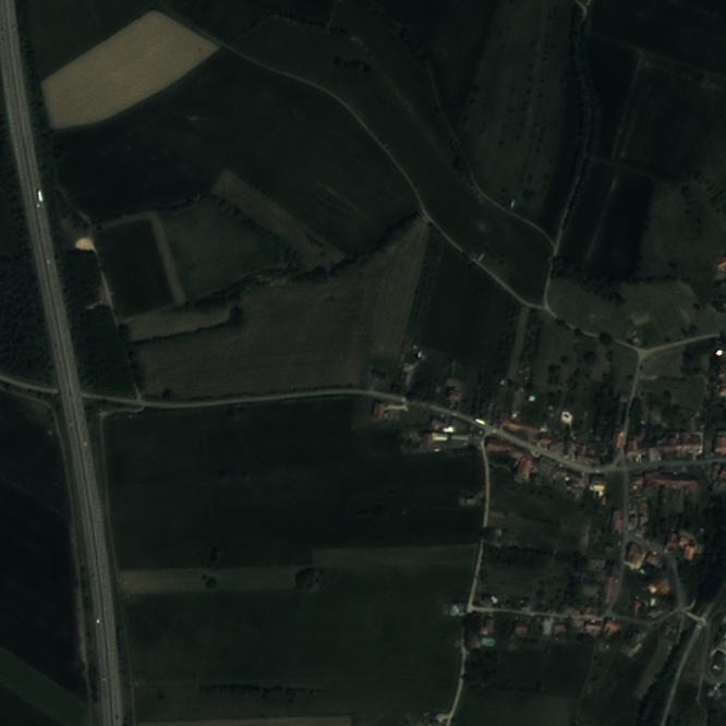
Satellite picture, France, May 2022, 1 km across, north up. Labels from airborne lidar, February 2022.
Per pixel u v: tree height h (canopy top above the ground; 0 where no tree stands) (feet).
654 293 0
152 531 0
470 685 22
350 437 0
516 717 0
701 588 0
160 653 0
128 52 0
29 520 0
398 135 0
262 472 0
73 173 0
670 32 0
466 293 0
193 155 0
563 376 0
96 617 0
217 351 0
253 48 0
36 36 0
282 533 0
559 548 0
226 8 0
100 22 0
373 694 0
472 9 0
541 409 0
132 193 0
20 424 0
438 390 0
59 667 0
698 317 0
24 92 0
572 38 38
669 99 0
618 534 0
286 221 0
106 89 0
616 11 0
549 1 0
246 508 0
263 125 0
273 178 0
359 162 0
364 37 0
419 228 0
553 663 0
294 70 0
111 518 0
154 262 0
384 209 0
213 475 0
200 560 0
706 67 0
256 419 0
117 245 0
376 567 0
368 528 0
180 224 0
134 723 0
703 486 0
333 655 0
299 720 0
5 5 0
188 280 0
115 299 0
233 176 0
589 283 21
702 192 0
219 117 0
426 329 0
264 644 0
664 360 0
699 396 0
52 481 0
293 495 0
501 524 0
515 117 0
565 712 0
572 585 35
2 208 0
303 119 0
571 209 28
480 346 0
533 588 0
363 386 0
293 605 0
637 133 0
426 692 0
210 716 0
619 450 0
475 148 0
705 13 0
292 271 37
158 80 0
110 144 0
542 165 0
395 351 0
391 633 0
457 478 0
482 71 0
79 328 33
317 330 0
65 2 0
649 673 0
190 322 0
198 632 0
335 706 0
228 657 0
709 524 0
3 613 0
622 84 0
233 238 0
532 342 23
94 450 0
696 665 0
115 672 0
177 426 0
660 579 0
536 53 0
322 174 0
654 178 0
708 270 0
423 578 0
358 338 0
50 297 0
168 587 0
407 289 0
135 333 0
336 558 0
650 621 0
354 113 0
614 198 0
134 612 0
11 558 0
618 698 0
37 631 0
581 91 34
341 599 0
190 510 0
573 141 0
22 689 0
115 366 48
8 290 70
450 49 0
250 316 0
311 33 0
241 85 0
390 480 0
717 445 0
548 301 0
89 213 0
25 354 38
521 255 0
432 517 0
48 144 30
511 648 0
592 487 0
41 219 0
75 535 0
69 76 0
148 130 0
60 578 0
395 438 0
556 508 0
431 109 0
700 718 0
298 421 0
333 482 0
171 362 0
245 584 0
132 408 0
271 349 0
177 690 0
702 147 0
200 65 0
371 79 41
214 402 0
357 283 0
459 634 0
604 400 27
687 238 0
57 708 0
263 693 23
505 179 0
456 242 0
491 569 0
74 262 42
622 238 0
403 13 0
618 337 0
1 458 0
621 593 0
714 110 0
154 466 0
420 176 0
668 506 0
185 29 0
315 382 0
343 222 0
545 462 0
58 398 0
